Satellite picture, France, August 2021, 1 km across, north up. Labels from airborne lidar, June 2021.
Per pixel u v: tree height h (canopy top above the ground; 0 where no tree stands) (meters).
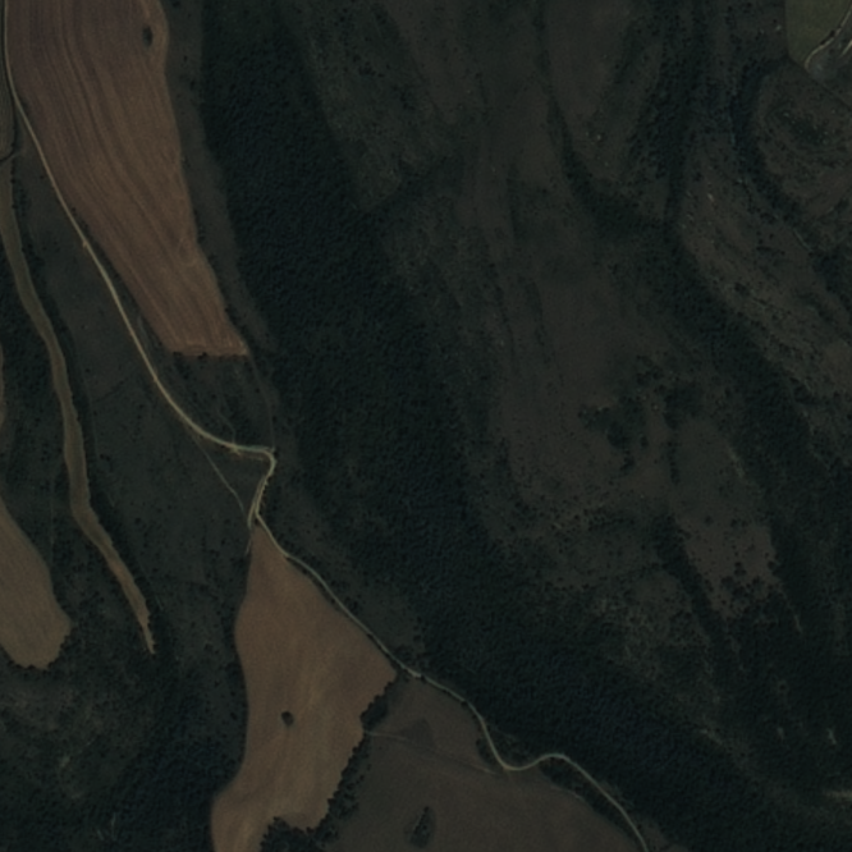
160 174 0
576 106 0
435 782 0
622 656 7
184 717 6
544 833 0
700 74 6
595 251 0
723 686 6
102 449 0
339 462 8
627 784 11
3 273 9
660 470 0
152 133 0
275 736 0
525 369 0
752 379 8
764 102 0
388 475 6
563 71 0
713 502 0
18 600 0
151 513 0
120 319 0
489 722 9
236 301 0
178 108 0
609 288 0
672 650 6
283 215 10
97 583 0
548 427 0
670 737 6
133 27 0
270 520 6
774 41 0
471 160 0
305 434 7
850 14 0
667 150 13
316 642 0
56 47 0
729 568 0
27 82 0
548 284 0
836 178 0
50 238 0
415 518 8
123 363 0
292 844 9
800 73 0
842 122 0
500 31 0
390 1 0
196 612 0
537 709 10
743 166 7
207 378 0
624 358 0
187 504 0
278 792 0
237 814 0
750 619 8
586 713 8
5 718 8
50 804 8
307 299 7
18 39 0
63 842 7
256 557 0
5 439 0
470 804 0
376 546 7
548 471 0
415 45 0
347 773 8
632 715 10
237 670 8
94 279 0
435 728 0
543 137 0
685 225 0
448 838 0
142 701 8
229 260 0
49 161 0
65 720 6
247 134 12
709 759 8
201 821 7
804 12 0
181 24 0
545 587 7
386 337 5
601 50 0
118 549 9
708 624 8
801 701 7
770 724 8
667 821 9
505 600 9
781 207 7
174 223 0
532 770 0
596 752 12
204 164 0
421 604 7
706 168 0
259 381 0
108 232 0
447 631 9
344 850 0
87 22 0
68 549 6
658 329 0
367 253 9
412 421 6
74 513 0
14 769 7
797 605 7
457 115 0
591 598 7
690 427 0
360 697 0
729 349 7
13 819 6
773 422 6
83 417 7
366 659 0
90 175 0
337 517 8
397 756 0
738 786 6
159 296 0
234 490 0
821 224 0
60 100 0
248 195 9
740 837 7
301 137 7
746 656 9
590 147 0
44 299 6
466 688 7
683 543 6
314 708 0
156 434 0
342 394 9
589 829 0
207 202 0
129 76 0
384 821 0
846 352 0
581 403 0
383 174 0
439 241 0
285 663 0
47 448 7
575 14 0
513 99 0
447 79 0
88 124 0
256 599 0
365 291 11
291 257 11
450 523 11
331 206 9
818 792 6
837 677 7
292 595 0
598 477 0
